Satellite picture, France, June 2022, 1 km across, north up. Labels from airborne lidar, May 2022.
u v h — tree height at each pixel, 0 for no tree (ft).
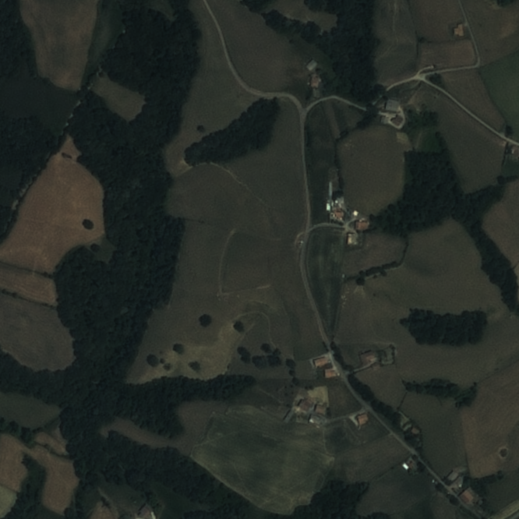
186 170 0
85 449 65
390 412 59
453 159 0
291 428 0
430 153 21
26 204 0
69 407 48
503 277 77
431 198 37
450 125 0
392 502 0
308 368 0
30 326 0
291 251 0
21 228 0
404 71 0
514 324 0
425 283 0
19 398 0
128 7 73
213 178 0
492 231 0
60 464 0
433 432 0
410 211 62
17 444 0
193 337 0
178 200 0
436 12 0
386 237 0
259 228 0
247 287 0
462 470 0
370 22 37
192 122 0
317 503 61
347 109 0
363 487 44
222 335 0
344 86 24
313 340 0
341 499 53
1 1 74
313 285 0
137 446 28
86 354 80
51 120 0
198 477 64
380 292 0
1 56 59
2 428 71
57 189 0
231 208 0
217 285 0
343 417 0
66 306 54
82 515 74
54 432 0
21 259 0
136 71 87
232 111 0
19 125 46
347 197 0
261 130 88
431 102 0
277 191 0
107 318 88
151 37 74
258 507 0
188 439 0
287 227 0
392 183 0
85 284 80
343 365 43
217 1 0
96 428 59
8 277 0
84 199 0
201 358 0
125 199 77
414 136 0
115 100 0
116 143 100
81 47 0
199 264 0
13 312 0
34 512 75
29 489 46
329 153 0
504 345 0
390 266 33
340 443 0
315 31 73
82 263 70
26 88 0
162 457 67
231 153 69
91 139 65
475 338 60
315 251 0
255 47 0
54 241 0
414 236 0
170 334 0
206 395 72
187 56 40
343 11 70
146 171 74
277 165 0
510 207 0
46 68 0
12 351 0
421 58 0
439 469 0
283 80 0
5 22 57
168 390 29
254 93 0
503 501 0
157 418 35
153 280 59
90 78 26
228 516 64
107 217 42
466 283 0
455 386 71
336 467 0
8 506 0
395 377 0
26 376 76
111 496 0
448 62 0
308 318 0
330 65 0
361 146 0
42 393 71
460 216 72
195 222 0
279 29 38
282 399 0
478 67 0
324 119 0
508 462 0
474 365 0
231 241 0
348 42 71
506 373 0
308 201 0
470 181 0
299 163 0
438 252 0
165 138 78
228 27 0
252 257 0
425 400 0
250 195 0
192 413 0
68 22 0
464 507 27
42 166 39
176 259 49
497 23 0
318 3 80
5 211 50
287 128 0
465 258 0
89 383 61
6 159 71
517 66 0
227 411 0
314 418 0
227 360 0
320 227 0
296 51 0
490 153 0
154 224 68
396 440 0
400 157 0
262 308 0
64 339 0
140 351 0
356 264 0
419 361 0
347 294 0
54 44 0
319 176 0
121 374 43
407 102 0
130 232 84
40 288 0
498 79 0
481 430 0
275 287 0
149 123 61
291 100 0
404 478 0
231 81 0
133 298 89
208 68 0
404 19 0
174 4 46
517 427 0
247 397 0
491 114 0
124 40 55
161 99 69
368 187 0
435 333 63
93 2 0
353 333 0
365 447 0
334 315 0
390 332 0
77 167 0
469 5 0
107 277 69
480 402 0
